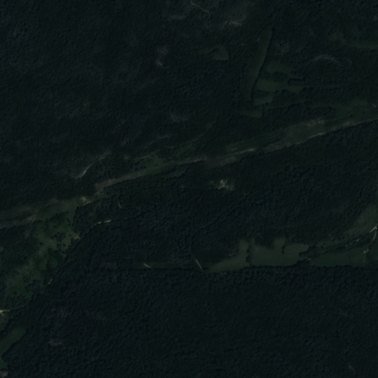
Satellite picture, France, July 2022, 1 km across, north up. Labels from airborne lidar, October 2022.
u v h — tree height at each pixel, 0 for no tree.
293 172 18
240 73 16
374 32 12
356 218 10
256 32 16
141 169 7
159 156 10
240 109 13
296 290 17
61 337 26
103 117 9
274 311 16
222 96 13
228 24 7
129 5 9
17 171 12
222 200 15
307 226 13
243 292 15
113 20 15
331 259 0
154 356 27
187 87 16
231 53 12
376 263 0
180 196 27
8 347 0
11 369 18
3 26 21
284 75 16
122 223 22
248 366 13
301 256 15
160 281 20
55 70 8
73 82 10
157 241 14
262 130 13
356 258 0
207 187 12
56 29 9
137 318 19
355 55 13
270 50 14
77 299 19
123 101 14
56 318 25
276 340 10
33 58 6
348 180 14
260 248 0
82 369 19
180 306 9
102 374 18
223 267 0
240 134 7
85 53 8
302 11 9
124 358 15
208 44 7
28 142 10
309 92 16
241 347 17
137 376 11
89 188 13
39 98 6
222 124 19
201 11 7
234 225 9
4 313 7
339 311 18
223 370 20
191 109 9
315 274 27
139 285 20
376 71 15
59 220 18
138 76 8
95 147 9
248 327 18
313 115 14
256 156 10
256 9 7
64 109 6
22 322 16
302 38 7
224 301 14
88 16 10
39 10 19
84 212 10
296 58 17
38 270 8
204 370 21
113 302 15
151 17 8
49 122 13
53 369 19
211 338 12
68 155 11
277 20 11
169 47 14
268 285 12
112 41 20
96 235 15
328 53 14
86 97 7
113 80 7
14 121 5
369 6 21
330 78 16
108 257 12
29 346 18
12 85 19
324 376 27
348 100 14
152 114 17
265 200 16
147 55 9
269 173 12
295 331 19
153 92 11
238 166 9
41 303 15
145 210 16
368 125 14
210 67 10
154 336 11
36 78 9
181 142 9
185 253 23
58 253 15
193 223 7
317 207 14
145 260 12
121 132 15
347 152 10
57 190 18
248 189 12
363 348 15
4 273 6
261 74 12
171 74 18
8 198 13
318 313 15
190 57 10
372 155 17
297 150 8
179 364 15
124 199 13
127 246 9
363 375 13
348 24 14
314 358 12
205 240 8
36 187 10
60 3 14
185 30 6
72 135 10
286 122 9
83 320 10
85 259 16
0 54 13
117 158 17
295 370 17
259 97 14
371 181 18
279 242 0
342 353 15
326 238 7
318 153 11
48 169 11
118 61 9
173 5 6
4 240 12
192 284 25
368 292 25
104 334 18
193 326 16
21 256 15
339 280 36
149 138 9
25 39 8
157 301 17
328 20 10
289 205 11
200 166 7
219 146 14
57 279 15
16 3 11
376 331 13
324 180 14
